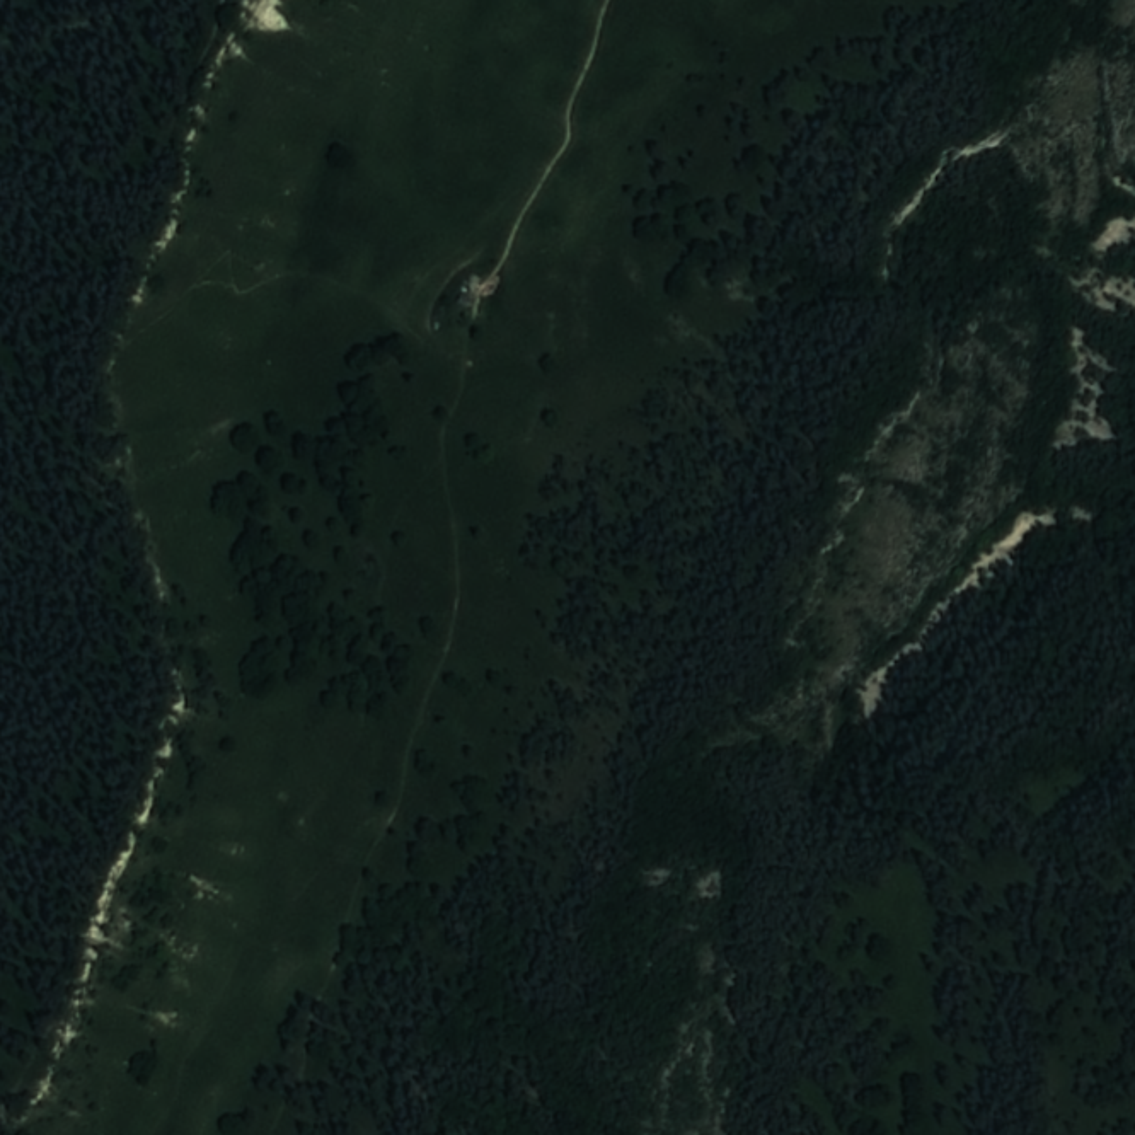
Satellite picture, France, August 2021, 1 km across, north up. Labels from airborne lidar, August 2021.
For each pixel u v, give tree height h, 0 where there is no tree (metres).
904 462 0
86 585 19
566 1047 11
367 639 14
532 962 17
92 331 23
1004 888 0
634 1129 9
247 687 11
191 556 0
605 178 0
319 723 0
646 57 0
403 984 13
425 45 0
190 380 0
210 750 0
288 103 0
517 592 0
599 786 9
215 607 0
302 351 0
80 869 22
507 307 0
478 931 14
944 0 0
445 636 0
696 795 14
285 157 0
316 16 0
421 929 11
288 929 0
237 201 0
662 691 13
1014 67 19
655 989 17
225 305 0
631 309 0
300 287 0
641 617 13
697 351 0
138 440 0
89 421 16
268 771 0
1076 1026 0
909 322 21
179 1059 0
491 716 0
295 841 0
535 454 0
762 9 0
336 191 0
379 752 0
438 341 0
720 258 13
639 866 12
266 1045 0
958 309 23
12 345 8
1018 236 17
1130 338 24
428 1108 25
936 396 7
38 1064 0
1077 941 24
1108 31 16
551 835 7
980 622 24
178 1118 0
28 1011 0
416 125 0
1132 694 18
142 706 21
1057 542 30
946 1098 0
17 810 24
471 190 0
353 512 18
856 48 15
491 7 0
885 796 19
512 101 0
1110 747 13
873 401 16
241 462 0
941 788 13
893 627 12
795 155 25
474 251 0
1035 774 17
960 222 18
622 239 0
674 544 17
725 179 0
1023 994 20
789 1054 21
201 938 0
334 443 14
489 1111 19
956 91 30
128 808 8
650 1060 8
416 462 0
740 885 18
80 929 11
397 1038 23
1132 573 18
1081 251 12
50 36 26
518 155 0
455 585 0
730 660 21
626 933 16
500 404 0
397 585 0
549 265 0
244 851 0
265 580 18
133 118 22
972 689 23
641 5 0
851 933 7
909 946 0
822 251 25
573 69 0
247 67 0
